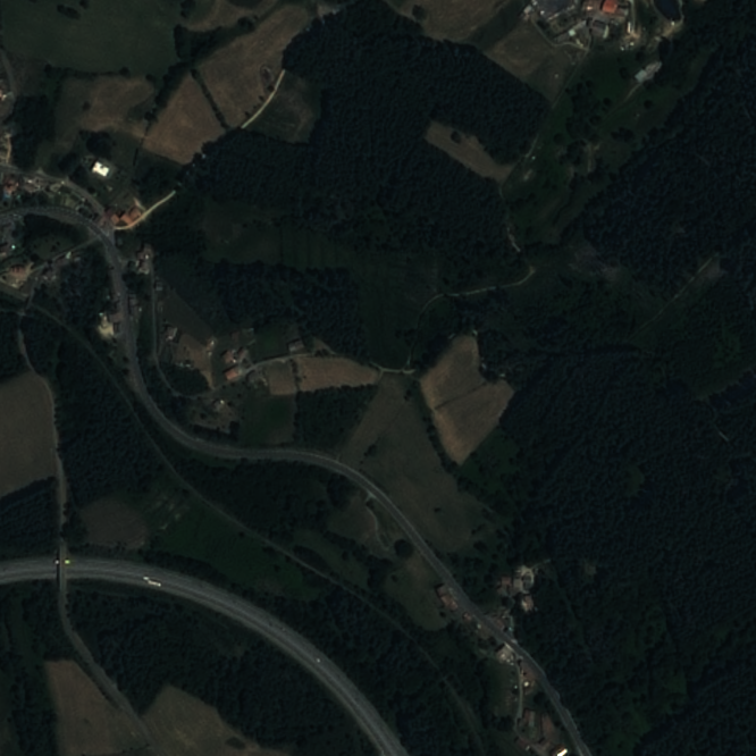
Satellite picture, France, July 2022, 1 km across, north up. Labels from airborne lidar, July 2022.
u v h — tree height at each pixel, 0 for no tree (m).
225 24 0
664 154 10
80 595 16
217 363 0
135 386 0
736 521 27
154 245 7
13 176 6
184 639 8
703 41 26
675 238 17
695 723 31
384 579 14
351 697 0
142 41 0
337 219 21
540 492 36
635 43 0
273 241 0
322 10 0
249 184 31
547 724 0
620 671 16
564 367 21
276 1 0
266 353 0
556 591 14
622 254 26
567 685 28
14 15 0
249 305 30
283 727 13
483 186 24
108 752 0
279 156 22
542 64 0
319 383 0
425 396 0
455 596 0
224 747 0
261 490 14
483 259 28
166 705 0
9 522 19
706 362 7
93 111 0
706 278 0
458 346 0
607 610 19
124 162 0
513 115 32
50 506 17
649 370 7
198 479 12
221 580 14
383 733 0
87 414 20
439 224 21
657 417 33
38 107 23
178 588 0
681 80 20
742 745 35
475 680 6
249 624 0
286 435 0
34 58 0
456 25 0
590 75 0
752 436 24
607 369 26
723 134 24
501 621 0
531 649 8
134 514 0
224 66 0
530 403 25
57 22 0
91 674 0
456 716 11
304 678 19
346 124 26
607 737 12
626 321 11
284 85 0
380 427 0
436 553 6
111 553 8
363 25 8
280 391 0
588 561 33
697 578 29
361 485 0
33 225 15
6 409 0
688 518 38
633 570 35
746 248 29
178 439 0
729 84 22
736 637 15
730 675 33
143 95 0
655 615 7
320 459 0
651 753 25
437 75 27
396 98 26
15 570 0
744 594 28
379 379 0
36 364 19
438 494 0
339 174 24
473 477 0
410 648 23
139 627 16
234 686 15
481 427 0
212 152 29
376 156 24
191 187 33
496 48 0
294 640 0
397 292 0
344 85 27
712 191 14
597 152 0
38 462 0
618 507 35
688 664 11
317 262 0
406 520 0
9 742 0
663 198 29
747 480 30
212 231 0
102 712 0
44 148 0
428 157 27
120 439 27
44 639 9
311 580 13
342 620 28
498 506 19
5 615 17
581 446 34
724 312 7
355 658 13
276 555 15
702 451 38
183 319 0
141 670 12
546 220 0
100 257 6
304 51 29
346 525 0
